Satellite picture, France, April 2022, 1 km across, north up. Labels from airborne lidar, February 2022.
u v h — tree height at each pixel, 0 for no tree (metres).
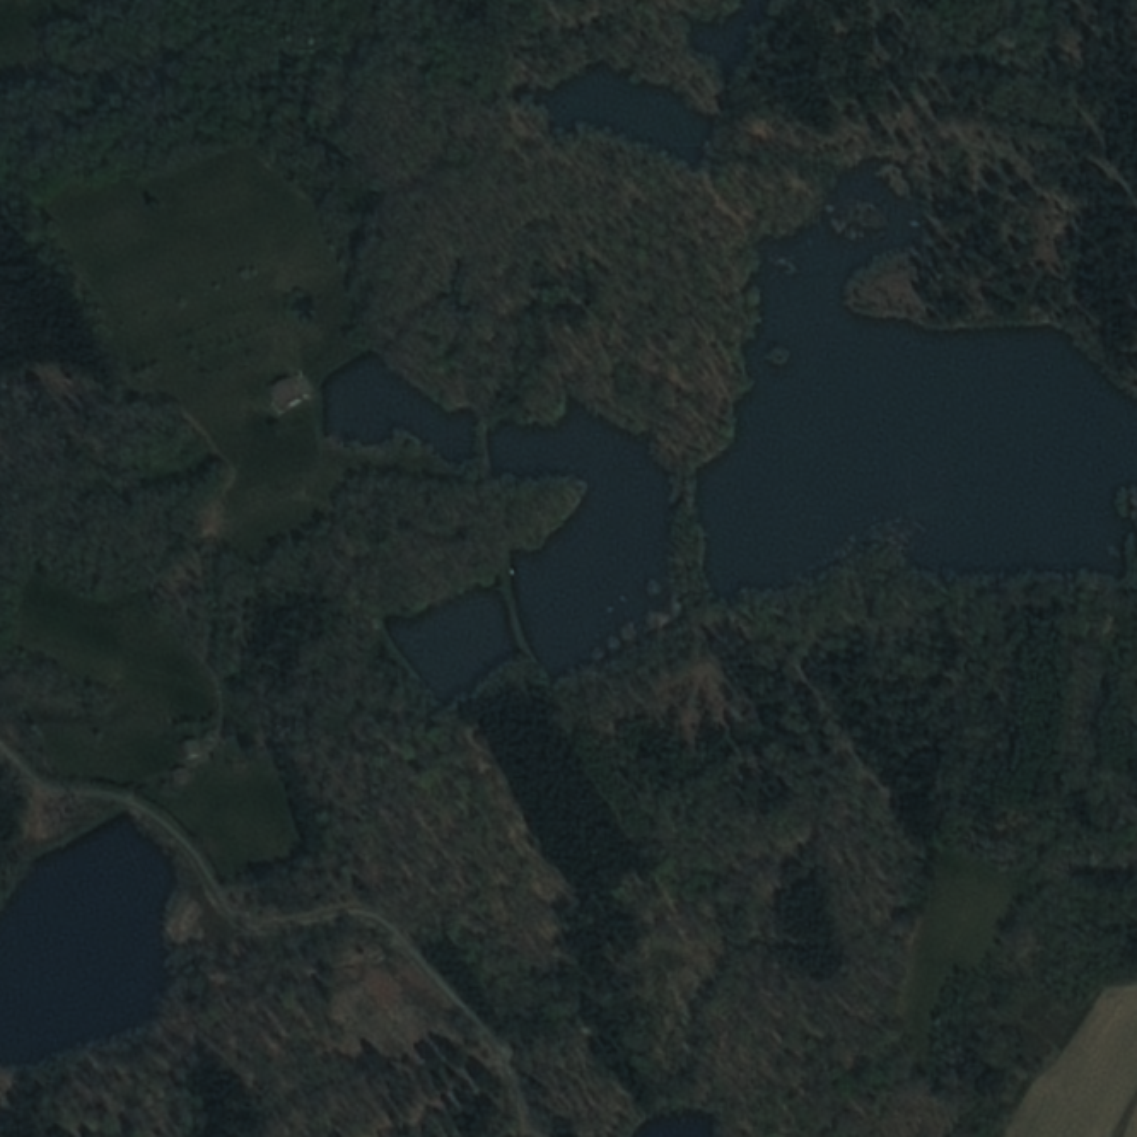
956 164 8
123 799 0
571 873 22
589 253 24
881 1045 28
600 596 0
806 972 24
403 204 31
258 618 12
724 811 24
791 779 25
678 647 18
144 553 18
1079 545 0
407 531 15
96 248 0
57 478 32
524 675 20
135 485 24
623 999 29
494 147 25
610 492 0
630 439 0
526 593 0
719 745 11
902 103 21
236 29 18
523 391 26
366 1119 22
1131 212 22
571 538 0
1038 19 22
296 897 27
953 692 23
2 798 17
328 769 24
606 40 24
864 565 16
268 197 0
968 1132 14
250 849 0
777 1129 26
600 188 22
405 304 26
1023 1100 0
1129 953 22
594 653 9
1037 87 18
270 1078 27
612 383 22
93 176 22
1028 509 0
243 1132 21
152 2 24
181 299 6
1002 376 0
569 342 28
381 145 24
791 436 0
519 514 25
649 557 0
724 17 12
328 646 25
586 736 10
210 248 0
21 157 23
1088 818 19
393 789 31
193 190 0
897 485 0
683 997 0
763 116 25
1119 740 32
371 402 0
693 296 29
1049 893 24
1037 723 35
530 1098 20
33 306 23
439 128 23
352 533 20
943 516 0
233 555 23
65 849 0
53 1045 0
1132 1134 0
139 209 0
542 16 25
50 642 0
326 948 30
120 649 0
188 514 21
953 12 10
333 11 14
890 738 15
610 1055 22
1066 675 29
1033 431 0
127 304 0
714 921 25
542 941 24
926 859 27
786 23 9
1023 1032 10
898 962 28
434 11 25
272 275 0
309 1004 24
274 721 25
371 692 26
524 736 26
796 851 6
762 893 34
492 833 18
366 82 23
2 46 0
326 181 22
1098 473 0
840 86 21
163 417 24
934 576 17
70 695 22
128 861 0
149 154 26
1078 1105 0
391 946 0
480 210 28
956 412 0
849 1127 30
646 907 24
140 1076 28
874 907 26
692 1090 20
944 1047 9
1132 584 16
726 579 0
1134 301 29
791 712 19
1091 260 24
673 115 0
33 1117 25
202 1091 21
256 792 0
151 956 0
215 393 0
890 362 0
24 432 21
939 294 26
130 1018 0
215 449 0
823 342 0
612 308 25
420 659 0
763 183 27
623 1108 20
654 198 25
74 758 0
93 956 0
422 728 26
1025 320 14
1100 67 15
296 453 0
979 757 24
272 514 0
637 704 30
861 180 0
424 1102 22
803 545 0
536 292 24
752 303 20
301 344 0
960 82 25
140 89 30
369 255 25
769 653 26
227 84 25
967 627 29
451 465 13
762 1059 26
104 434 25
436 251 26
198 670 0
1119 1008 0
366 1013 0
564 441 0
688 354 25
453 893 25
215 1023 33
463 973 20
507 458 0
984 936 0
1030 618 26
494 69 22
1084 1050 0
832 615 26
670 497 7
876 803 26
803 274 0
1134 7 29
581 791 21
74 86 23
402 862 22
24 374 20
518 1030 29
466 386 30
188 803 0
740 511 0
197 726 10
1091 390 0
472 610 0
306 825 26
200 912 0
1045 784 24
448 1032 0
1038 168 17
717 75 22
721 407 24
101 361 20
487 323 28
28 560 22
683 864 22
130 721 0
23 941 0
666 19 25
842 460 0
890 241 0
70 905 0
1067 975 14
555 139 27
